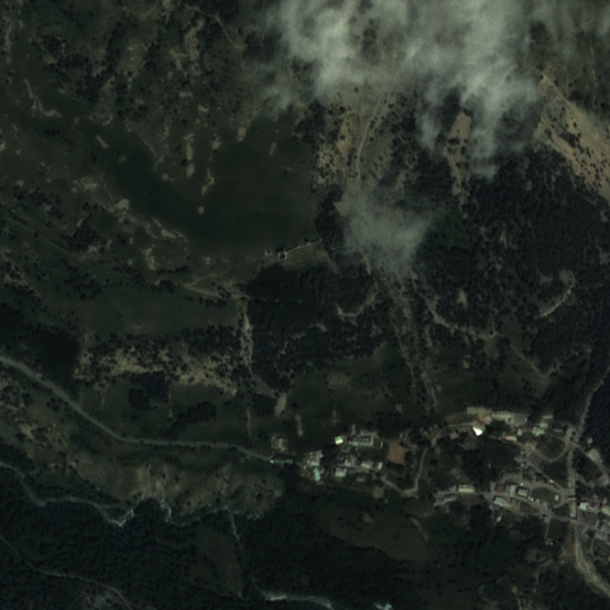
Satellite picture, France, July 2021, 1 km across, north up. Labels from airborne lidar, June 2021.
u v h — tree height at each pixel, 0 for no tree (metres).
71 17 7
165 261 0
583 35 10
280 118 0
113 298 0
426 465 0
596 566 7
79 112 0
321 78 8
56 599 11
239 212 0
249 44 8
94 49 0
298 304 12
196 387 0
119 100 7
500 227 7
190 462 0
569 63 0
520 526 9
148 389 10
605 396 23
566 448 0
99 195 0
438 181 6
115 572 16
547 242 25
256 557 12
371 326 9
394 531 0
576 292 15
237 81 0
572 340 23
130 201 0
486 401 7
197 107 0
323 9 7
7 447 11
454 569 12
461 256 15
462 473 0
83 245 6
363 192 0
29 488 15
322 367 6
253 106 0
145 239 0
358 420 0
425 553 0
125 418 7
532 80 8
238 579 0
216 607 15
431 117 11
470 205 12
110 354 9
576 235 26
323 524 0
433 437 0
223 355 10
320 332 14
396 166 10
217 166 0
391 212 0
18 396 8
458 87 12
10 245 0
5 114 0
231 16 7
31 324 7
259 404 14
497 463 0
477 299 15
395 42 0
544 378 0
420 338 6
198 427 0
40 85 0
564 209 26
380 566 17
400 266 13
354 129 0
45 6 0
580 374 8
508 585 0
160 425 0
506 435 0
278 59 6
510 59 11
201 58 9
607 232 21
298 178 0
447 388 0
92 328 0
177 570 10
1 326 12
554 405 8
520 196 15
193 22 8
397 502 0
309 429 0
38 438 6
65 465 7
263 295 12
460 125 0
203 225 0
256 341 13
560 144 0
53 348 12
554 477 0
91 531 7
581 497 10
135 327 0
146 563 24
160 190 0
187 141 0
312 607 10
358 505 7
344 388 0
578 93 10
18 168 0
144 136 0
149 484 0
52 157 0
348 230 11
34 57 0
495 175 9
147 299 0
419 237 6
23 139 0
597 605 16
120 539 25
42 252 0
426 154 8
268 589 16
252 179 0
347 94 0
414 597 17
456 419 0
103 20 0
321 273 11
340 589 23
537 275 9
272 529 23
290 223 0
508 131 11
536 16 0
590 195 11
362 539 0
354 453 7
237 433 0
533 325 10
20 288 9
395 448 0
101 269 0
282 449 0
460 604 0
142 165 0
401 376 0
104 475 0
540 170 13
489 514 11
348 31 9
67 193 0
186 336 7
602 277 26
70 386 7
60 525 18
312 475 0
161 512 11
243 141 0
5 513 20
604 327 14
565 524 6
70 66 7
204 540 0
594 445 9
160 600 10
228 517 6
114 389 0
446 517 7
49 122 0
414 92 6
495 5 0
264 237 0
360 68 7
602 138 0
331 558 17
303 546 23
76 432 0
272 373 8
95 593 15
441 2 0
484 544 10
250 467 0
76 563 7
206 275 0
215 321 0
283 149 0
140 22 0
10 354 9
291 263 0
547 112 6
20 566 8
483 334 0
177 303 0
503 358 6
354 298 13
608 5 0
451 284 14
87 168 0
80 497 14
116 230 0
